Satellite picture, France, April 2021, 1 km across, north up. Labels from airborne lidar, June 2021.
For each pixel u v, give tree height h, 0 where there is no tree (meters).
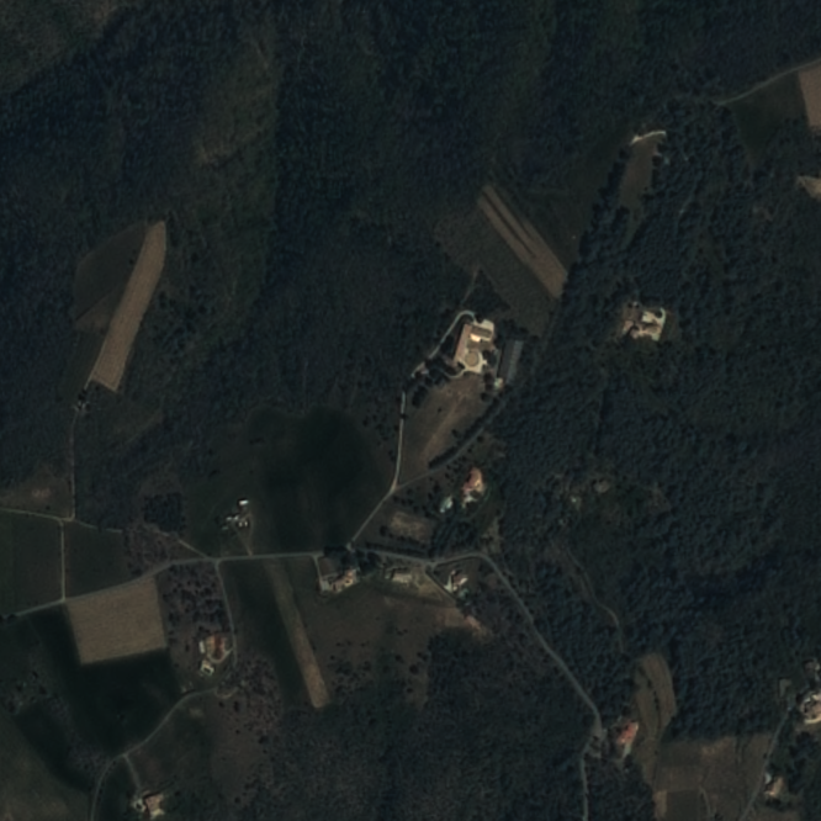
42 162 13
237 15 18
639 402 22
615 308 13
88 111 8
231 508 0
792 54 12
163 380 16
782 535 9
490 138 14
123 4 10
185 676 0
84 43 13
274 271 11
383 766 8
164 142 17
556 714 7
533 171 16
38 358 15
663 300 11
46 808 0
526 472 17
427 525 0
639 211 7
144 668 0
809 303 11
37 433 10
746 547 20
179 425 15
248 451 0
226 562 0
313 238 12
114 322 0
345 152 11
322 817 10
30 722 0
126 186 16
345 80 12
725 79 16
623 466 21
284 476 0
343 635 0
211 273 17
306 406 7
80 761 12
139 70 25
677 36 13
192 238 11
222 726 0
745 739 8
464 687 9
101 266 0
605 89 15
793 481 11
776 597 9
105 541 0
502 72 18
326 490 0
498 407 10
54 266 12
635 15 20
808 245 11
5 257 8
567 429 20
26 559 0
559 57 7
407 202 12
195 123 15
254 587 0
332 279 16
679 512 13
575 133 14
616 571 23
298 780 6
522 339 12
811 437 17
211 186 17
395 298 12
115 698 0
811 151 10
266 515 0
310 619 0
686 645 17
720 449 15
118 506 7
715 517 12
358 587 0
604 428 10
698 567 18
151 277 0
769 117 0
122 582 0
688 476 10
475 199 9
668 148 10
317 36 13
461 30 20
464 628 0
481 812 13
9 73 7
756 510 7
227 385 18
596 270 17
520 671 8
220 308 10
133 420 11
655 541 8
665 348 8
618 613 7
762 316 20
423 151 14
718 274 8
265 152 9
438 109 20
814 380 8
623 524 10
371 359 6
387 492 0
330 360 11
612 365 14
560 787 11
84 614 0
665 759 0
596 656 12
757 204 10
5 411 16
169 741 0
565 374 12
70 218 14
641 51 15
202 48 15
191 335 15
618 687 13
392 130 15
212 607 8
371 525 0
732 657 14
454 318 6
